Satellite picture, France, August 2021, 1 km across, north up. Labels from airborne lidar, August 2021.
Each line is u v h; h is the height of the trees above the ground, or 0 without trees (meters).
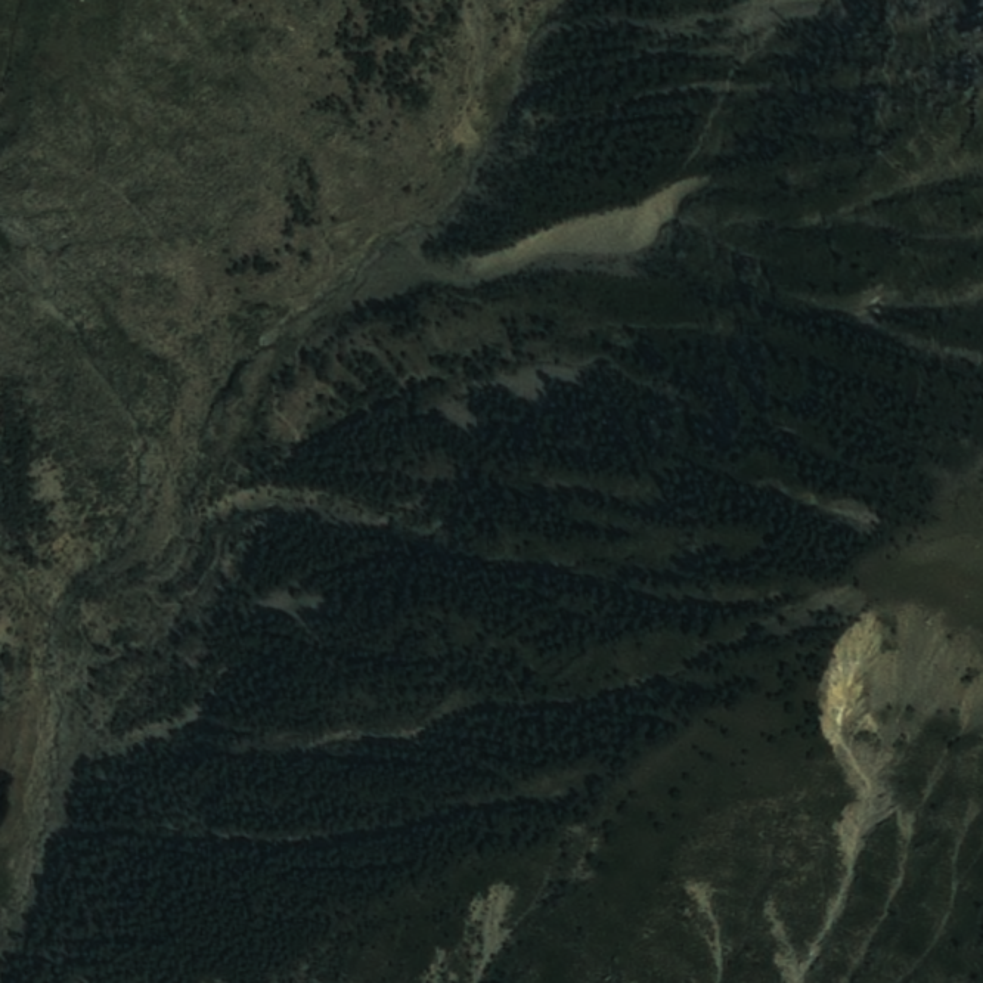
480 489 16
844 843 0
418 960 0
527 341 10
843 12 0
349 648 8
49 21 0
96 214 0
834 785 0
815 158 0
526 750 9
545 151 8
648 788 0
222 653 14
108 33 0
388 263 0
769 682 0
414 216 0
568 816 16
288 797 20
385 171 0
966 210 9
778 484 0
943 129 0
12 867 0
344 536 10
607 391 10
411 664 15
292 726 12
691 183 0
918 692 0
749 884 0
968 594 0
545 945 0
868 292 0
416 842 22
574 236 0
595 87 18
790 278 0
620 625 14
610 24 10
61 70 0
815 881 0
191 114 0
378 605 12
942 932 0
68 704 0
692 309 0
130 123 0
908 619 0
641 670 0
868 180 0
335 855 18
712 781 0
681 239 0
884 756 0
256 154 0
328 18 0
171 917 23
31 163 0
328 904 17
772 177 0
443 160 0
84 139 0
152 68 0
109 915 10
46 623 0
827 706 0
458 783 13
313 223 11
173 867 16
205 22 0
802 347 0
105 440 0
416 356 0
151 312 0
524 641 13
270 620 26
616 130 16
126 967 8
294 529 13
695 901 0
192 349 0
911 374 0
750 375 10
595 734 17
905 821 0
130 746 0
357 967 0
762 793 0
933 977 0
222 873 25
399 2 17
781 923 0
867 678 0
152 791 12
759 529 14
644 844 0
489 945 0
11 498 17
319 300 0
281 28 0
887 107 0
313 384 0
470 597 11
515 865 0
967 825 0
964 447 0
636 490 0
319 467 15
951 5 0
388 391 11
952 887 0
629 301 0
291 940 13
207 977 9
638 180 7
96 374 0
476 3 0
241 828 14
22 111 0
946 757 0
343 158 0
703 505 13
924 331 9
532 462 9
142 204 0
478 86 0
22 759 0
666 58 7
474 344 0
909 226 0
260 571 21
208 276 0
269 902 8
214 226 0
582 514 0
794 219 0
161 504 0
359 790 14
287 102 0
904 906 0
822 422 10
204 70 0
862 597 0
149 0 0
